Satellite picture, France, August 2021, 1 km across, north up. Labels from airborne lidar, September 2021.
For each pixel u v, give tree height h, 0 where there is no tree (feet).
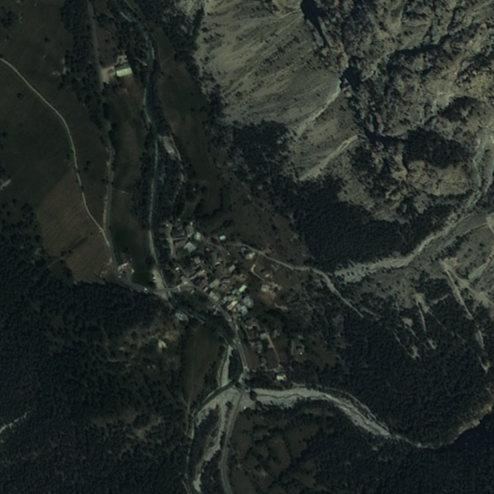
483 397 37
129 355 47
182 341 22
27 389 41
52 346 65
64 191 0
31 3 0
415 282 21
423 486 66
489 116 0
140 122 0
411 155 24
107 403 72
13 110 0
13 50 0
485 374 49
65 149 0
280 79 0
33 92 0
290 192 34
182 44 24
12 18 26
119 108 0
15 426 18
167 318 22
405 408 59
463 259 0
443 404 43
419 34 0
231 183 21
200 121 0
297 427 53
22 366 45
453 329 23
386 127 22
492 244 0
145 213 31
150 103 22
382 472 50
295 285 0
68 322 68
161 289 0
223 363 0
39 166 0
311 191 23
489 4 0
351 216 24
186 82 0
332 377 35
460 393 51
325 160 0
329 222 45
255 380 28
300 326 35
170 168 45
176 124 0
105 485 70
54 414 55
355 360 53
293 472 40
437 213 20
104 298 35
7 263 60
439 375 59
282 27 0
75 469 44
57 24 0
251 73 0
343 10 33
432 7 32
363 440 19
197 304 0
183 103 0
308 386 19
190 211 0
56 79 0
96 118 37
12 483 30
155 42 36
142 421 55
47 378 67
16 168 0
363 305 31
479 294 0
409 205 24
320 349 0
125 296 28
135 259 0
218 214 39
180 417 62
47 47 0
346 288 20
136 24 21
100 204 0
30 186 0
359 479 50
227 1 0
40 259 0
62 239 0
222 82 0
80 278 0
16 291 69
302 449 0
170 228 0
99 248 0
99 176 0
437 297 27
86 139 0
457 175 0
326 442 54
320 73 0
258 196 31
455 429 28
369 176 22
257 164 21
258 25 0
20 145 0
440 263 0
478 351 40
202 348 0
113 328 58
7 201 0
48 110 0
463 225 0
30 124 0
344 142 0
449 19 0
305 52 0
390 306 21
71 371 71
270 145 22
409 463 54
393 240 25
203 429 34
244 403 0
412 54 29
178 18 29
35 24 0
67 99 0
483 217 0
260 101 0
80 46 48
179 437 61
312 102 0
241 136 22
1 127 0
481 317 31
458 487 23
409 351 29
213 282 0
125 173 0
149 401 52
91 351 49
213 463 35
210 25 0
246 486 0
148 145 40
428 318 20
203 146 0
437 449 71
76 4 48
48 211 0
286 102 0
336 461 43
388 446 33
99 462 63
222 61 0
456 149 43
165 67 0
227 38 0
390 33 0
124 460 46
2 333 41
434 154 33
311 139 0
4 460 26
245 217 0
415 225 23
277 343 0
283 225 0
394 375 64
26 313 35
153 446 61
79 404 55
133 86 0
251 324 0
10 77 0
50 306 63
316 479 33
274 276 0
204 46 0
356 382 58
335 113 0
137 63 36
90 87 65
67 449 47
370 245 27
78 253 0
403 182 28
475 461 35
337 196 37
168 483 58
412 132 22
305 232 30
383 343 47
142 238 0
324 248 46
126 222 0
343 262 29
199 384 0
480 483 42
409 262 0
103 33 0
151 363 58
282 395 0
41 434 37
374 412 37
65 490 42
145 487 77
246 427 0
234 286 23
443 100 0
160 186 21
